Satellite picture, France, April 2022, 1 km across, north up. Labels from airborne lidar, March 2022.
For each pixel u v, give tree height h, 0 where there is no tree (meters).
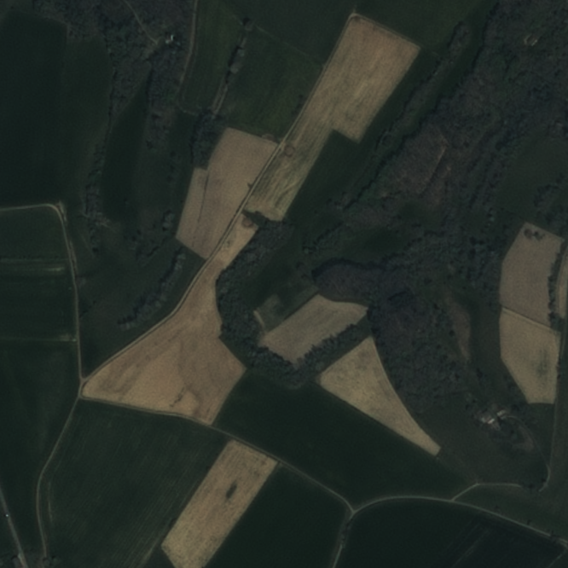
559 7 15
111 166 0
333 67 0
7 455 0
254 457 0
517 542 0
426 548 0
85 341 0
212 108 0
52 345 0
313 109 0
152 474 0
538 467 0
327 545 0
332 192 0
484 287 20
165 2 28
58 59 0
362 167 0
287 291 0
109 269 0
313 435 0
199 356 0
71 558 0
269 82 0
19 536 0
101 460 0
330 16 0
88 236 0
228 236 0
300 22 0
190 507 0
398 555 0
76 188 0
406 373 26
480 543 0
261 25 0
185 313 0
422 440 0
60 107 0
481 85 30
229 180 0
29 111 0
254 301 0
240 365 0
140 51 27
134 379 0
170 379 0
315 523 0
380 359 0
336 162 0
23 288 0
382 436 0
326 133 0
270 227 18
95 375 0
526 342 0
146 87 0
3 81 0
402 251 0
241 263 16
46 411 0
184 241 0
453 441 0
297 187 0
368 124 0
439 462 0
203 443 0
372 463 0
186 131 0
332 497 0
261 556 0
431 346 14
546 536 0
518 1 23
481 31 0
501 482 0
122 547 0
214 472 0
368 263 0
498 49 25
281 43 0
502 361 0
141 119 0
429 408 8
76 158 0
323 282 29
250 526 0
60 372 0
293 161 0
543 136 0
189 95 0
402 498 0
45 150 0
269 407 0
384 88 0
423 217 0
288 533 0
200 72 0
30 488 0
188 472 0
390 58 0
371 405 0
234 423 0
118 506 0
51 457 0
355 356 0
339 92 0
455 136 30
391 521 0
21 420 0
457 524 0
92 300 0
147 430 0
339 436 0
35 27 0
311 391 0
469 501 0
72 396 0
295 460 0
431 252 6
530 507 0
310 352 0
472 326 0
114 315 0
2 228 0
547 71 17
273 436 0
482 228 0
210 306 0
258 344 10
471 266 0
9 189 0
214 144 13
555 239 0
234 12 0
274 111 0
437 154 32
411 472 0
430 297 0
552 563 0
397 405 0
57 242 0
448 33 0
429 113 0
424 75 0
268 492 0
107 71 0
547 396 0
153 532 0
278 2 0
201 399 0
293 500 0
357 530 0
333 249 18
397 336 30
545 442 0
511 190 0
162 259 0
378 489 0
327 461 0
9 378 0
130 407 0
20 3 0
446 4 0
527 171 0
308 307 0
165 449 0
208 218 0
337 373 0
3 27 0
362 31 0
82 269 0
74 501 0
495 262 20
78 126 0
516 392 19
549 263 0
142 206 0
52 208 0
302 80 0
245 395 0
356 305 0
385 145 17
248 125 0
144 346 0
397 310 24
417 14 0
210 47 0
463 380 21
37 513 0
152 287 0
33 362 0
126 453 0
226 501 0
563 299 0
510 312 0
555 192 10
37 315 0
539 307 0
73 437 0
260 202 0
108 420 0
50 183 0
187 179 0
